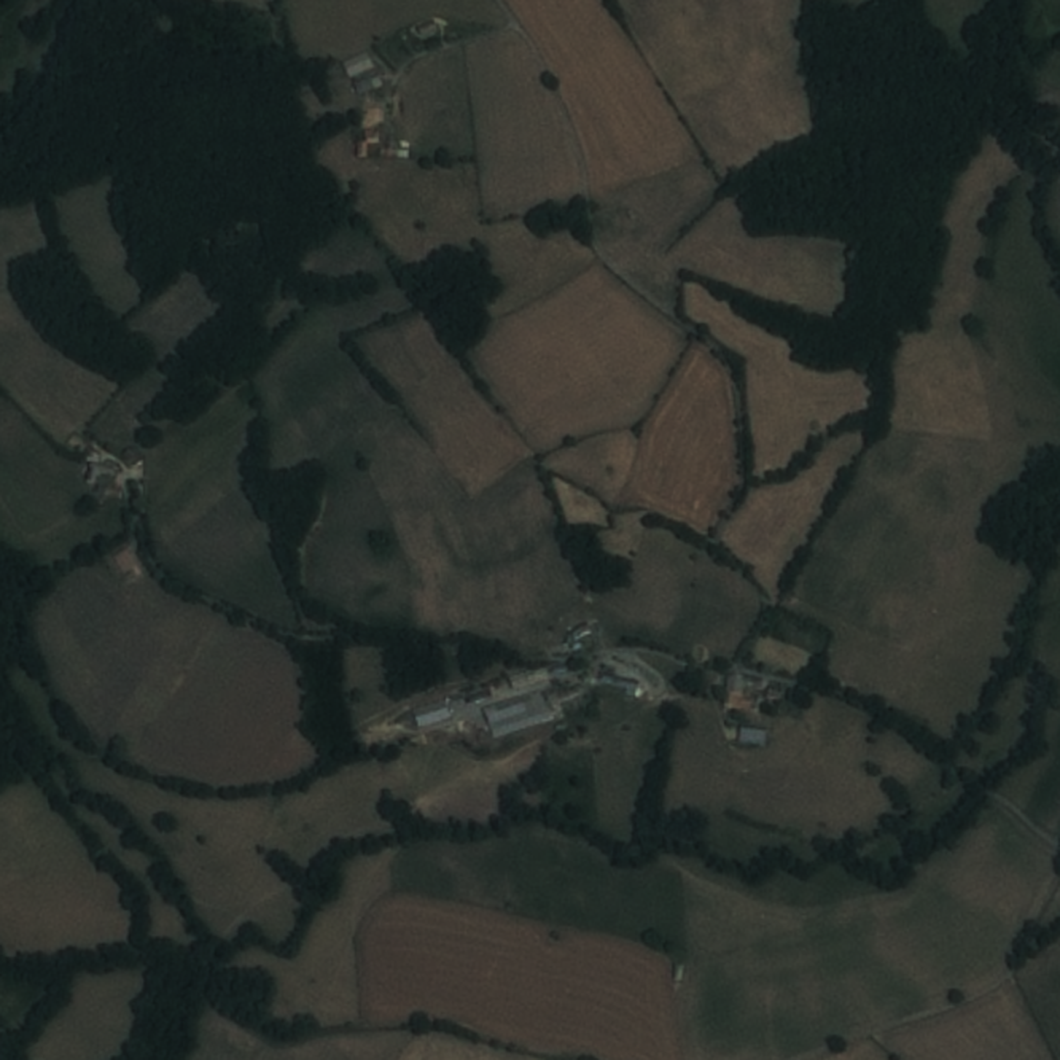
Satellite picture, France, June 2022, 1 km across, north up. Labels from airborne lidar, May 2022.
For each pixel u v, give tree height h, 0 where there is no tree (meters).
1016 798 0
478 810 0
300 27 0
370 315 0
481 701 0
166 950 23
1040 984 0
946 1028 0
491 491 0
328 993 0
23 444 0
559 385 0
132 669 0
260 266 22
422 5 0
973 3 0
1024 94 15
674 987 0
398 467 0
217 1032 0
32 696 0
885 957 0
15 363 0
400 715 0
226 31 8
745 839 0
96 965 21
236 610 8
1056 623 0
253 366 23
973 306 0
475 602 0
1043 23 0
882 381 21
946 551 0
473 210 0
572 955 0
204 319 0
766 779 0
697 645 0
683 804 0
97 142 21
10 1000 0
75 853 0
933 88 21
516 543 0
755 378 0
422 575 0
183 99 18
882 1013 0
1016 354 0
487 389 10
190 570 0
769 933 0
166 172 18
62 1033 0
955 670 0
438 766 0
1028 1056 0
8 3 23
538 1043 0
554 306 0
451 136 0
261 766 0
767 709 13
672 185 0
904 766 0
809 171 21
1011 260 0
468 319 19
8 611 27
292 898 0
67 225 0
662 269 0
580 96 0
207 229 19
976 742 20
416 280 17
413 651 14
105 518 0
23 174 19
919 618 0
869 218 23
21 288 15
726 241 0
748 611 0
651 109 0
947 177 21
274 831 0
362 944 0
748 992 0
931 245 16
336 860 27
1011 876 0
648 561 0
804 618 9
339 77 0
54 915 0
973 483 0
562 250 0
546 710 0
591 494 7
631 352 0
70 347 19
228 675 0
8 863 0
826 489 0
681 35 0
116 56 19
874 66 25
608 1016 0
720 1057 0
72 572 11
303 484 17
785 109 0
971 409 0
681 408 0
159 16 16
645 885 0
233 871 0
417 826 23
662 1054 0
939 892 0
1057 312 0
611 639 0
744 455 11
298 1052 0
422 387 0
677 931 0
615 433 0
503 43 0
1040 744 26
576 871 0
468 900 0
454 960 0
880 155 24
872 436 17
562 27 0
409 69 0
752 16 0
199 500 0
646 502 0
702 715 0
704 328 14
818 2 19
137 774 17
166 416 17
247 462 20
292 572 16
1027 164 23
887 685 0
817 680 20
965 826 19
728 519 8
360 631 14
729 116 0
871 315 21
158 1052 10
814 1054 0
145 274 17
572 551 24
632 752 0
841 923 0
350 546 0
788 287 0
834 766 0
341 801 0
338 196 18
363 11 0
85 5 24
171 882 14
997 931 0
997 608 0
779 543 0
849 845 17
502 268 0
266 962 0
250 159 20
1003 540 23
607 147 0
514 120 0
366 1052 0
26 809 0
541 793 19
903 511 0
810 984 0
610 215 0
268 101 21
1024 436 0
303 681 12
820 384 0
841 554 0
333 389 0
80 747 18
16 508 0
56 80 22
